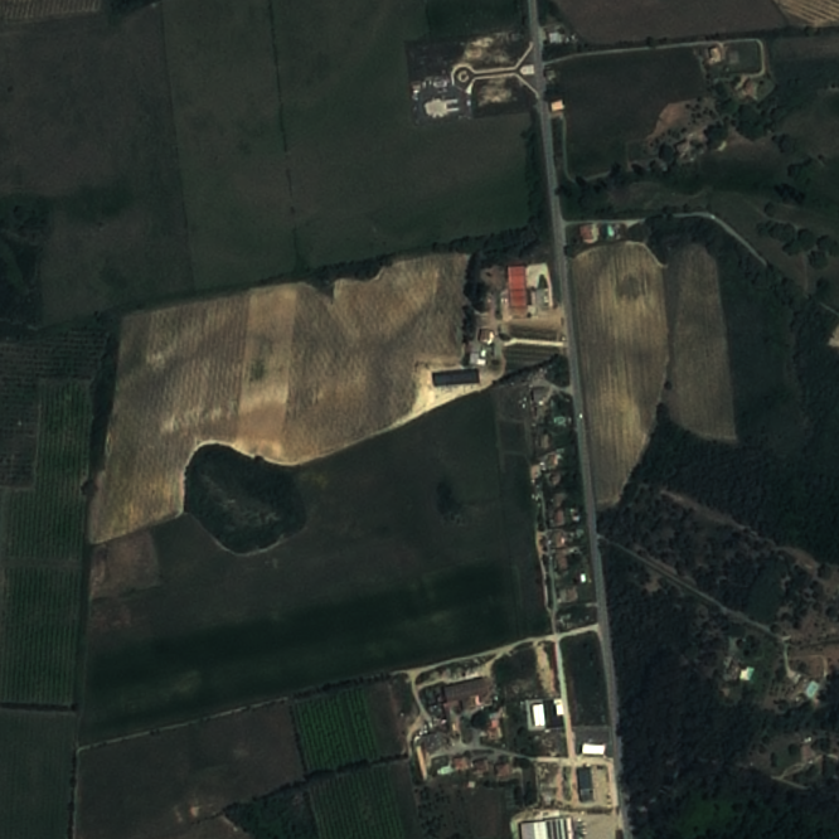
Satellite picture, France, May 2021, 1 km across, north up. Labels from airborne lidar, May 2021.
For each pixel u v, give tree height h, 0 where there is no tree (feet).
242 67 0
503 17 0
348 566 0
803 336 18
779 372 0
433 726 0
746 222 0
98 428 28
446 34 0
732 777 133
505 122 0
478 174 0
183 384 0
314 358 0
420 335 0
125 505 0
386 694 0
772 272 50
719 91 39
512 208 0
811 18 0
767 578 50
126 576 0
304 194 0
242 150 0
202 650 0
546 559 22
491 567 0
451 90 0
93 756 0
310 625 0
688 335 0
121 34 0
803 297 34
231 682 0
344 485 0
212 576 0
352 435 0
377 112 0
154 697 0
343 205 0
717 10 0
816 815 101
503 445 0
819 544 27
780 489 43
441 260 0
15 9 0
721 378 0
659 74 0
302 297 0
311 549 0
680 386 0
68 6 0
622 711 36
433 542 0
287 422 0
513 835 0
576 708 0
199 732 0
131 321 0
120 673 0
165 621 0
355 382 0
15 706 38
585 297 0
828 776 31
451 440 0
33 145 0
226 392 0
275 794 38
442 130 0
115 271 0
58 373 21
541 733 0
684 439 30
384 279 0
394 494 0
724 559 23
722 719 63
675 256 0
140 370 0
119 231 0
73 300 0
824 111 0
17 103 0
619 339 0
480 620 0
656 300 0
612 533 37
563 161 25
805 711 47
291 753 0
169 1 0
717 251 25
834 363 24
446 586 0
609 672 0
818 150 0
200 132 0
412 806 0
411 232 0
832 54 0
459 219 0
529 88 0
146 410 0
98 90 0
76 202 0
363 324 0
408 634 0
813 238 37
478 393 0
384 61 0
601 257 0
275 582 0
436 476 0
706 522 0
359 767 61
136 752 0
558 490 22
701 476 32
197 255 0
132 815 0
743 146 0
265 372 0
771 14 0
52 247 0
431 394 0
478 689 0
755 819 31
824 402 21
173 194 0
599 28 0
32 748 0
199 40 0
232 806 38
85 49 0
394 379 0
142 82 0
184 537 0
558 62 0
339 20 0
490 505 0
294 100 0
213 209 0
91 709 0
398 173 0
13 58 0
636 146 0
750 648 37
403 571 0
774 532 25
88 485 40
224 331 0
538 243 49
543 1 17
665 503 28
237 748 0
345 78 0
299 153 0
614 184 28
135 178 0
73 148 0
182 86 0
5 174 0
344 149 0
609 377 0
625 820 0
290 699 37
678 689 98
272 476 19
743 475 33
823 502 29
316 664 0
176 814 0
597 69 0
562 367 23
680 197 0
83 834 0
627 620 30
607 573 24
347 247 0
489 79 0
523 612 0
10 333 20
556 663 0
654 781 110
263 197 0
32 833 0
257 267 0
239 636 0
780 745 0
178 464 0
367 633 0
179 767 0
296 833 23
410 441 0
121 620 0
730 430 0
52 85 0
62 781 0
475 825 0
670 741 92
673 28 0
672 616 42
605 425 0
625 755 23
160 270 0
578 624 0
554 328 0
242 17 0
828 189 0
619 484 0
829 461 19
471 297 56
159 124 0
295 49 0
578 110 0
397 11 0
